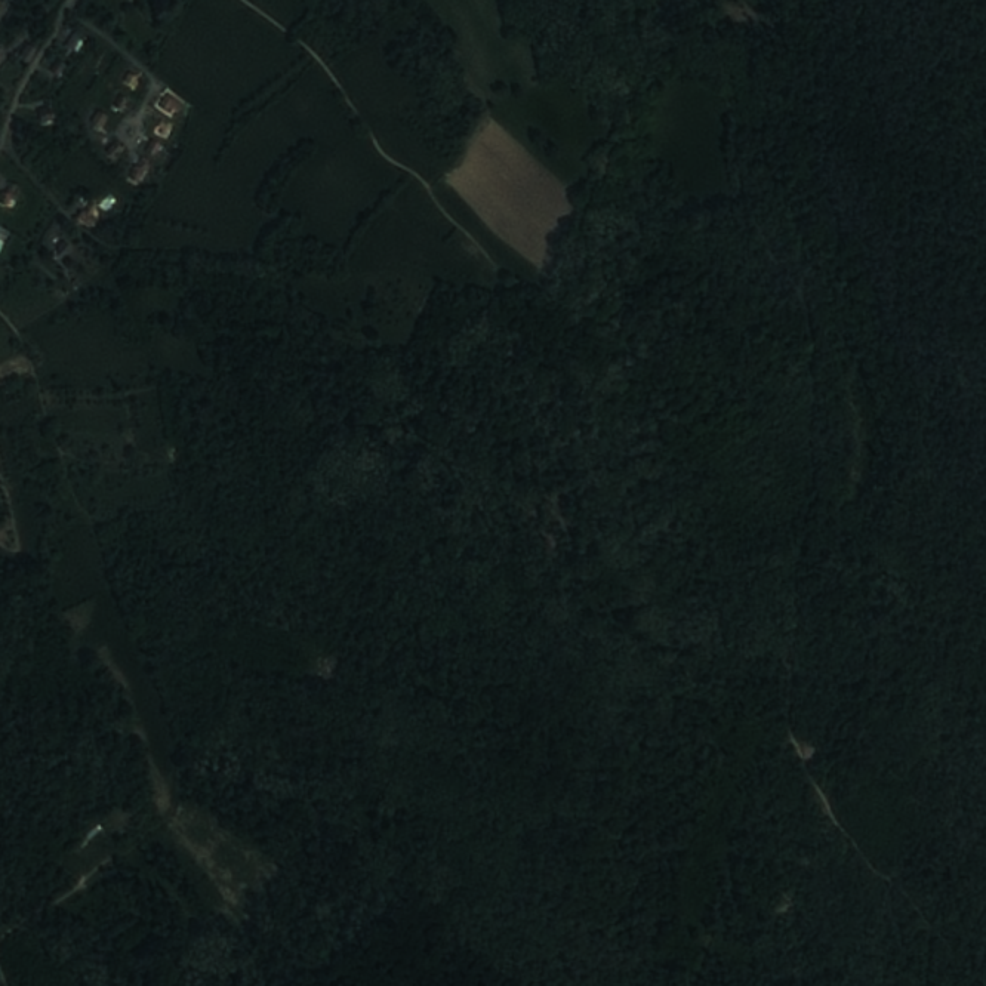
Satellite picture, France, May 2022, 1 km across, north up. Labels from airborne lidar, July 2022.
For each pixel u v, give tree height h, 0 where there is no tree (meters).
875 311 12
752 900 15
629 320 28
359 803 14
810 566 21
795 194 14
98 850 0
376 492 25
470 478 25
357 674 16
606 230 28
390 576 15
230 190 0
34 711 25
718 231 27
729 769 7
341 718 25
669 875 22
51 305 0
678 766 30
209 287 12
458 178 0
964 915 14
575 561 29
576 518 27
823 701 15
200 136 0
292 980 25
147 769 15
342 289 0
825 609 21
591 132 0
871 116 19
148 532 8
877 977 20
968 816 22
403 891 28
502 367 19
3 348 0
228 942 27
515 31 22
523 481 30
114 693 21
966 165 17
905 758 19
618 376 23
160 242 0
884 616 19
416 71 19
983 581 16
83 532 0
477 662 24
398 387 19
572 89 17
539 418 26
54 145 5
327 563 14
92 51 6
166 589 22
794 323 15
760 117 13
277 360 19
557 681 29
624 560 23
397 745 24
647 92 16
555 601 26
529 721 28
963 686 10
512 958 23
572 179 0
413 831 10
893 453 20
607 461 27
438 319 13
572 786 26
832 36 19
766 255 19
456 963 28
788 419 8
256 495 14
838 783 16
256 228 0
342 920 24
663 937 25
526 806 26
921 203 20
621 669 28
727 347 23
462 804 26
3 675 19
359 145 0
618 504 17
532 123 0
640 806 23
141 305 0
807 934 14
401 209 0
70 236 14
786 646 23
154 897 20
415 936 34
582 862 25
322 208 0
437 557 25
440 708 28
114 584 21
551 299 18
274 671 8
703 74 22
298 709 22
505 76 0
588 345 23
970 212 14
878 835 12
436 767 27
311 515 16
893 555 19
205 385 15
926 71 20
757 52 30
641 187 24
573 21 24
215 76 0
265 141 0
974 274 17
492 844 25
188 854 0
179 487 7
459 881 21
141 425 7
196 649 12
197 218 0
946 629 10
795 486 9
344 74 0
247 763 27
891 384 18
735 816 24
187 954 29
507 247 0
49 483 11
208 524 12
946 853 21
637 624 24
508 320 13
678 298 23
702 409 17
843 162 18
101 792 18
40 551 11
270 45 0
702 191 0
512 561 28
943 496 17
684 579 16
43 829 14
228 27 0
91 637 0
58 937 23
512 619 27
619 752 27
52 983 12
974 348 22
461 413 28
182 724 13
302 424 19
